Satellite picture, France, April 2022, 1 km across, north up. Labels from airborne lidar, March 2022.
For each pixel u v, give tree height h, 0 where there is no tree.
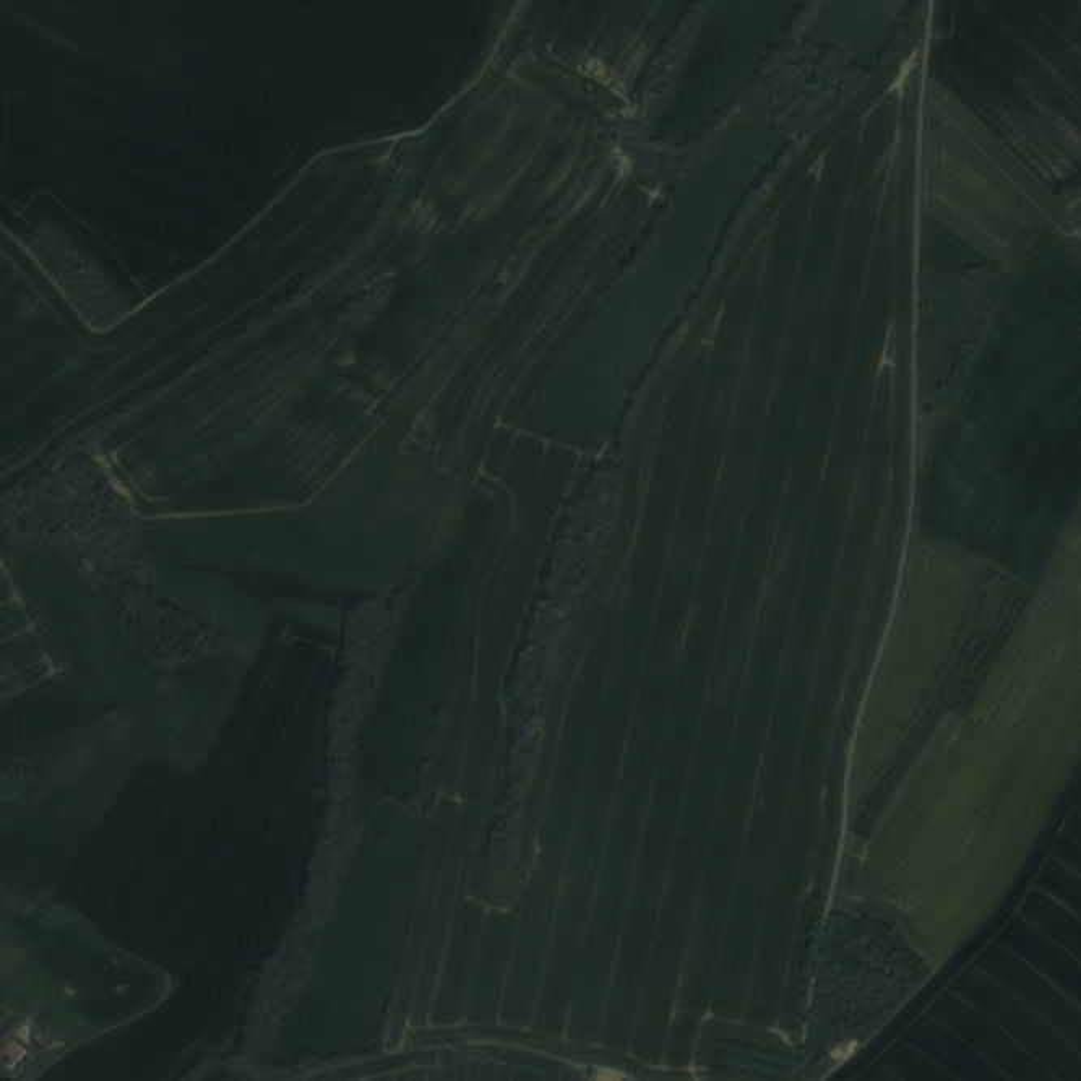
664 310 0
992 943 0
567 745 0
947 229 0
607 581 0
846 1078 0
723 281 0
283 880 0
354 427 0
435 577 0
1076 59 0
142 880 0
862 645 0
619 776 0
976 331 8
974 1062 0
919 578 0
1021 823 0
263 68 0
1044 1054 0
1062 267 0
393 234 0
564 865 0
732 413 0
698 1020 0
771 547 0
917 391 0
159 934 0
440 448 0
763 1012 0
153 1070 0
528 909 0
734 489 0
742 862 0
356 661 23
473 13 0
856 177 0
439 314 0
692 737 0
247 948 0
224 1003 0
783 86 16
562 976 0
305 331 0
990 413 0
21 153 0
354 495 0
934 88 0
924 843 0
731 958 0
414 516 0
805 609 0
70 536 20
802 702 0
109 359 0
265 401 0
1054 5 0
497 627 0
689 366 0
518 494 0
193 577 0
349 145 0
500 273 0
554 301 0
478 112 0
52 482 20
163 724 0
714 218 0
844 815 0
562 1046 0
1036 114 0
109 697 0
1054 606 0
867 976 14
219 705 0
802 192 0
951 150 0
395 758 0
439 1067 0
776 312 0
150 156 0
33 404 0
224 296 0
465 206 0
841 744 0
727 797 0
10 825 0
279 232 0
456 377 0
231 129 0
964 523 0
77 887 0
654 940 0
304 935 7
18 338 0
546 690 16
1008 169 0
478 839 0
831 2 0
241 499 0
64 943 0
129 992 0
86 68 0
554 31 0
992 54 0
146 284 0
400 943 0
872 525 0
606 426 0
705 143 11
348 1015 0
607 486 17
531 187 0
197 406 0
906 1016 0
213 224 0
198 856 0
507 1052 0
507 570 0
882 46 0
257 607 0
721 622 0
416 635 0
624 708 0
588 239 0
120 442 0
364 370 0
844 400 0
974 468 0
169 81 0
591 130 0
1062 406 0
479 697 0
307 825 0
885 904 0
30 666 0
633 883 0
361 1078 0
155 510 0
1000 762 0
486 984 0
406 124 0
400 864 0
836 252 0
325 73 0
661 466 0
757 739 0
